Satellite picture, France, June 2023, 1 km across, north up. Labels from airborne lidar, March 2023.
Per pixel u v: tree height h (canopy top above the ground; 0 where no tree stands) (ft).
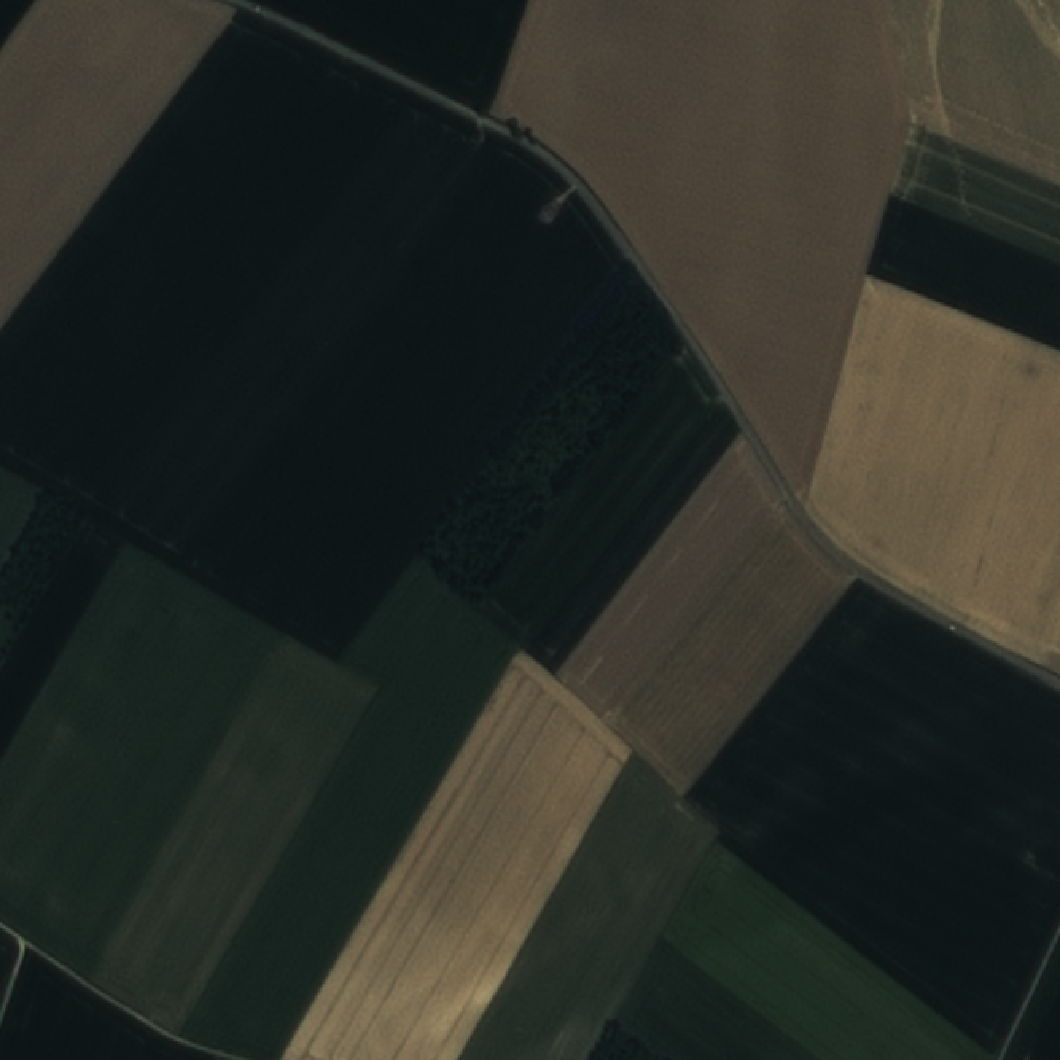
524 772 0
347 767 0
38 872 0
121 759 0
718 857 0
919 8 0
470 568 31
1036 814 0
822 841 0
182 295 0
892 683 0
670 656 0
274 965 0
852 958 0
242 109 0
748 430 0
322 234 0
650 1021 0
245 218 0
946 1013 0
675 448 0
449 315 0
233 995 0
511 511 30
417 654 0
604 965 0
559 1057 0
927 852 0
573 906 0
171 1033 0
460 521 18
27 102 0
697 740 0
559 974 0
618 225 0
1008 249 0
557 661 0
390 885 0
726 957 0
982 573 0
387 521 0
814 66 0
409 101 0
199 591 0
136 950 0
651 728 0
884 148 0
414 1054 0
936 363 0
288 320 0
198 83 0
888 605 0
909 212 0
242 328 0
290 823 0
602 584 0
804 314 0
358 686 0
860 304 0
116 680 0
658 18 0
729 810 0
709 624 0
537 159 0
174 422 0
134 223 0
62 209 0
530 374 0
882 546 0
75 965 0
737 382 0
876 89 0
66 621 0
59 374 0
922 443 0
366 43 0
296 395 0
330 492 0
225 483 0
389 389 0
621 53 0
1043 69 0
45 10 0
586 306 0
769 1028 0
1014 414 0
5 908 0
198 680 0
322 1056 0
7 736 0
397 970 0
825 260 0
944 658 0
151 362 0
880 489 0
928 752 0
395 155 0
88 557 0
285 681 0
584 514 0
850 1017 0
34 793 0
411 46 0
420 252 0
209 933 0
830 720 0
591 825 0
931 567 0
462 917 0
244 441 0
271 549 0
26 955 0
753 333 0
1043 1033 0
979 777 0
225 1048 0
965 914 0
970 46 0
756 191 0
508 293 0
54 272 0
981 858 0
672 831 0
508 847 0
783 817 0
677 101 0
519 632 0
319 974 0
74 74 0
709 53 0
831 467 0
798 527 0
